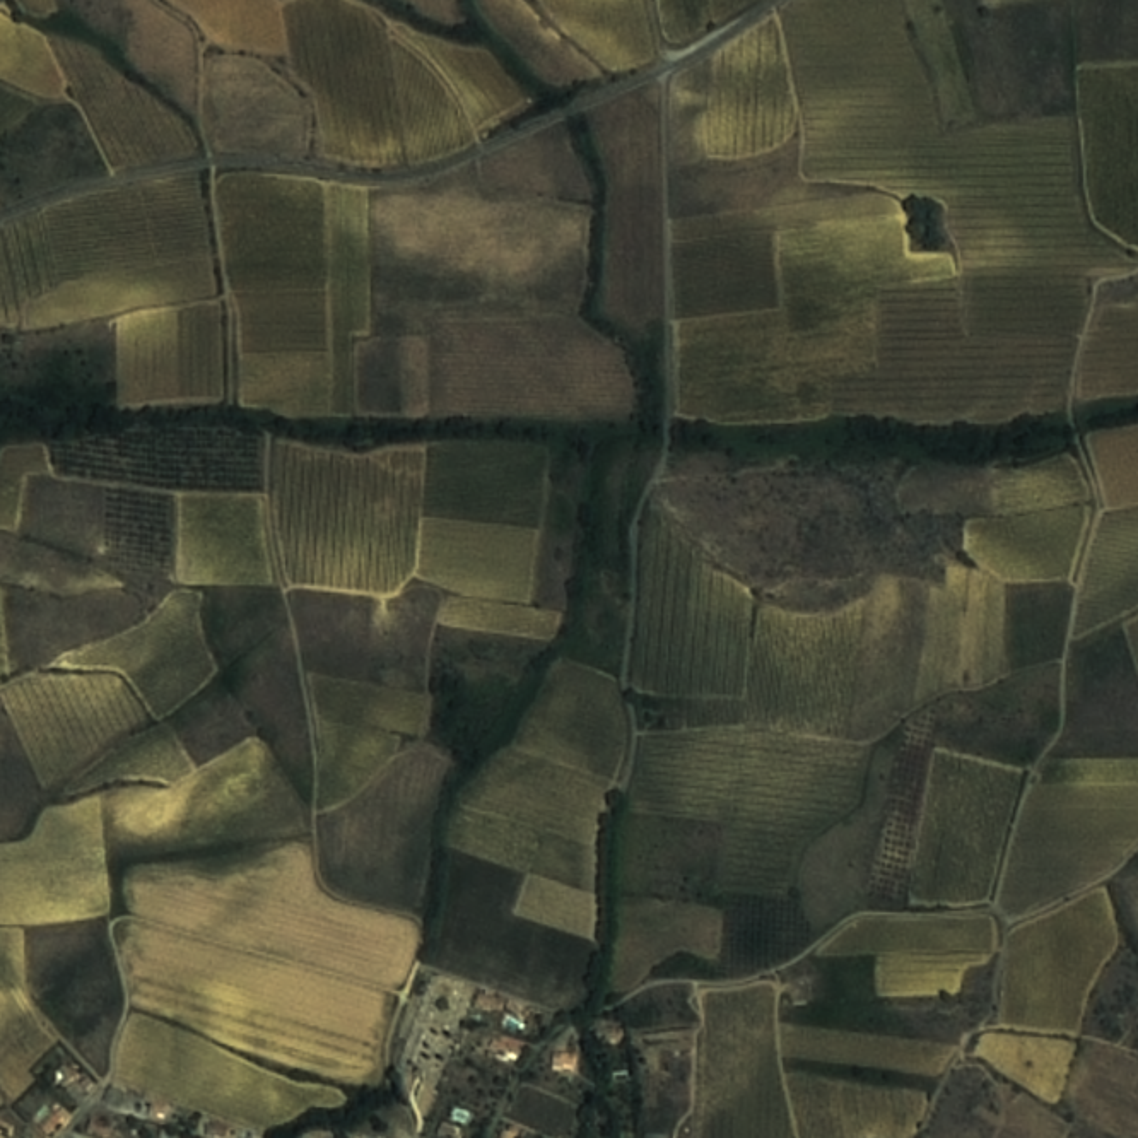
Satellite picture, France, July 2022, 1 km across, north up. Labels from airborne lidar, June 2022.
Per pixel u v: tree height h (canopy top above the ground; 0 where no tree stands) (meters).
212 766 0
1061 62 0
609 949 15
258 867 0
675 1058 0
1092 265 0
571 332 0
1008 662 0
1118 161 0
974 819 0
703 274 0
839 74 0
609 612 0
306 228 0
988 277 0
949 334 0
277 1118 0
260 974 0
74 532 0
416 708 0
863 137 0
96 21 0
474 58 0
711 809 0
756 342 0
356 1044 0
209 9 0
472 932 0
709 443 12
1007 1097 0
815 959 0
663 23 0
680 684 0
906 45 0
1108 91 0
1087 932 0
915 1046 0
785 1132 0
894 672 0
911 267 0
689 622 0
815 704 0
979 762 0
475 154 0
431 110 0
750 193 0
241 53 6
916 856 0
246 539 0
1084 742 0
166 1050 0
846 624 0
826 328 0
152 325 0
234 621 0
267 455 0
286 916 0
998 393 0
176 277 0
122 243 0
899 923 0
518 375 0
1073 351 0
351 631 0
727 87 0
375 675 0
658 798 0
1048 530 0
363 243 0
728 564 0
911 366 0
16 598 0
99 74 0
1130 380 0
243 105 0
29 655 0
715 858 0
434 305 0
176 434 7
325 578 0
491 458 0
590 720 0
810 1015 0
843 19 0
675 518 0
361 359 0
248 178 0
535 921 0
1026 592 0
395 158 0
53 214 0
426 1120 8
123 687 0
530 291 0
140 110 0
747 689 0
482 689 0
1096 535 0
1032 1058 0
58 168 0
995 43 0
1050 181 0
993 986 0
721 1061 0
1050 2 0
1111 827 0
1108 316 0
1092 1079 0
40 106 0
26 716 0
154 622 0
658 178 0
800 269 0
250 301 0
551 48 0
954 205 0
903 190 0
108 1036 0
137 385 0
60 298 0
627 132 0
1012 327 0
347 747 0
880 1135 0
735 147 0
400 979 0
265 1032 0
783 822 0
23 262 0
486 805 0
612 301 0
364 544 0
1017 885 0
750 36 0
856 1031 0
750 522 0
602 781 0
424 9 0
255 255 0
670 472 0
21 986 0
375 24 0
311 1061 0
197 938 0
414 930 0
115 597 0
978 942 0
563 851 0
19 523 0
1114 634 0
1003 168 0
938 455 9
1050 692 0
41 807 0
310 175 0
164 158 0
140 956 0
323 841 0
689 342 0
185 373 0
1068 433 11
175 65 0
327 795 0
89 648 0
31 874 0
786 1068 0
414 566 0
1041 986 0
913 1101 0
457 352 0
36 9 0
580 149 7
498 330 0
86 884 0
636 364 8
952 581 0
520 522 0
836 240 0
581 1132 5
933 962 0
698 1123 0
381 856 0
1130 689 0
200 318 0
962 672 0
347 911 0
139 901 0
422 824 0
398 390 0
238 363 0
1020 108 0
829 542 0
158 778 0
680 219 0
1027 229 0
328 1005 0
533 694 6
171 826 0
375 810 0
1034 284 0
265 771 0
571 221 0
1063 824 0
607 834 16
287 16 0
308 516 0
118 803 0
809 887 0
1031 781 0
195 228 0
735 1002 0
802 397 0
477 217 0
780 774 0
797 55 0
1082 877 0
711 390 0
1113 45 0
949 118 0
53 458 6
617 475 0
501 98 0
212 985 0
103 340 0
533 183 0
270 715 0
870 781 0
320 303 0
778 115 0
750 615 0
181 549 0
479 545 0
